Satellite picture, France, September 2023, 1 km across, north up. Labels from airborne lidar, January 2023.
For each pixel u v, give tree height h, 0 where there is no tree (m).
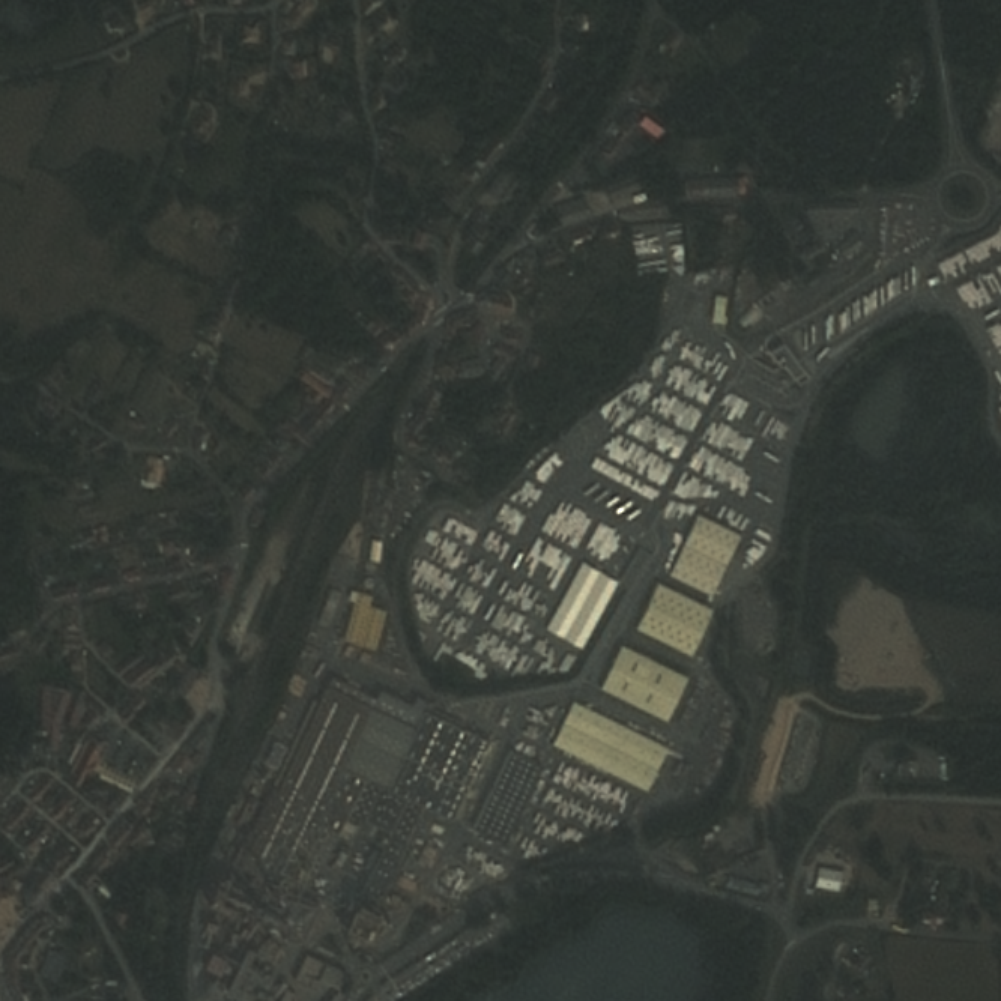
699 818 18
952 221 0
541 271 0
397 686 0
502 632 0
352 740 0
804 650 0
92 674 0
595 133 12
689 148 0
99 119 0
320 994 0
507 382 7
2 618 6
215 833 7
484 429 0
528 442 8
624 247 0
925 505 18
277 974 0
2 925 0
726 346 0
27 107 0
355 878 0
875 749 0
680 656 0
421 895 0
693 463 0
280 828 0
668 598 0
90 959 0
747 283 0
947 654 0
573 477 0
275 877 0
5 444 18
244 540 0
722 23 6
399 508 0
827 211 0
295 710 0
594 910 23
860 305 0
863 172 13
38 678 0
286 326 15
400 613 0
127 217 6
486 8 7
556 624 0
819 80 19
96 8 13
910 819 0
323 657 0
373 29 8
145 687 0
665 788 0
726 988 16
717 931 19
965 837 0
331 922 0
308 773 0
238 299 12
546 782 0
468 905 0
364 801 0
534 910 0
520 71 14
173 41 0
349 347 6
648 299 6
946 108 0
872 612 0
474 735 0
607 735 0
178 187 8
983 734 8
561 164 0
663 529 0
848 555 7
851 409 13
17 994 0
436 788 0
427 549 0
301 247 7
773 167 14
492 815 0
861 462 10
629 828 17
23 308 0
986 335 0
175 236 0
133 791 0
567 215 0
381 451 20
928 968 0
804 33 6
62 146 0
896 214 0
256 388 0
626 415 0
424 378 0
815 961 0
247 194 8
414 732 0
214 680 0
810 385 0
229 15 0
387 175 6
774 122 9
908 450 12
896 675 0
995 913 13
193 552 0
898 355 16
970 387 13
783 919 0
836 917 0
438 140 0
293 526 0
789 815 17
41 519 0
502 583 0
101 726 0
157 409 0
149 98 0
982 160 10
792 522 8
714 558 0
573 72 16
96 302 0
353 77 7
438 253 0
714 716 0
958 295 0
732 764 17
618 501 0
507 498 0
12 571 17
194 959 0
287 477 12
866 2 10
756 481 0
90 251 0
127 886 13
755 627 0
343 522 0
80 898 12
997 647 0
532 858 13
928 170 11
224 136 0
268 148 15
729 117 13
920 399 12
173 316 0
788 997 0
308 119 0
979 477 16
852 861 0
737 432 0
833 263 0
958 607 0
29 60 0
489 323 0
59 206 0
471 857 0
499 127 8
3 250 0
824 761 0
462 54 8
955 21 7
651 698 0
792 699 0
